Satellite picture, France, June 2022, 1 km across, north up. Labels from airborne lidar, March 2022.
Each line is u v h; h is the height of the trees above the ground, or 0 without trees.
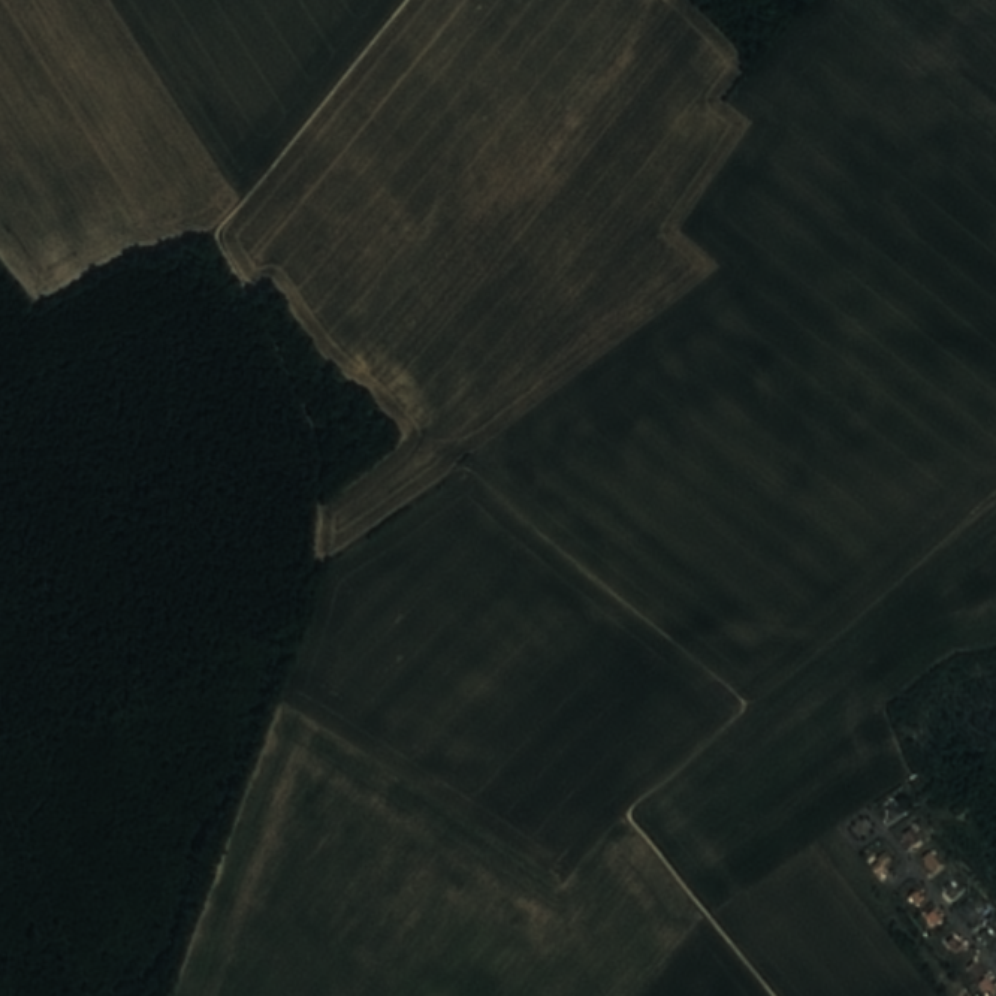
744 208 0
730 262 0
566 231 0
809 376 0
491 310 0
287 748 0
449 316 0
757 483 0
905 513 0
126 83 0
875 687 0
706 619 0
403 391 0
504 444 0
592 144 0
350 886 0
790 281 0
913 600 0
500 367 0
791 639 0
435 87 0
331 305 0
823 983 0
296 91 0
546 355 0
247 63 0
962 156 0
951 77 0
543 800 0
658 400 0
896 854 0
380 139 0
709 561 0
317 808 0
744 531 0
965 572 0
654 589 0
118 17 0
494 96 0
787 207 0
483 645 0
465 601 0
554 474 0
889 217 0
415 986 0
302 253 0
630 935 0
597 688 0
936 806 7
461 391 0
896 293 0
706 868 0
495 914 0
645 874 0
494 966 0
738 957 0
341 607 0
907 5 0
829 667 0
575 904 0
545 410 0
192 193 0
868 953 0
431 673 0
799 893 0
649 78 0
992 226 0
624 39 0
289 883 0
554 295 0
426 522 0
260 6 0
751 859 0
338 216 0
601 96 0
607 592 0
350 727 0
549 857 0
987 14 0
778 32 7
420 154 0
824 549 0
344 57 0
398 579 0
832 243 0
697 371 0
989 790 6
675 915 0
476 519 0
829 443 0
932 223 0
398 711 0
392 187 0
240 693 6
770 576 0
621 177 0
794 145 0
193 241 15
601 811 0
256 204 0
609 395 0
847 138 0
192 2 0
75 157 0
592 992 0
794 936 0
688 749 0
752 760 0
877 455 0
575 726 0
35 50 0
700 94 0
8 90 0
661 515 0
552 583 0
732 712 0
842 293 0
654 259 0
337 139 0
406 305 0
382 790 0
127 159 0
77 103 0
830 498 0
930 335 0
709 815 0
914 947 8
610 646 0
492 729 0
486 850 0
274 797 0
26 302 12
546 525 0
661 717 0
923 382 0
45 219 0
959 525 0
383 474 0
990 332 0
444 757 0
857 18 0
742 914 0
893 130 0
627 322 0
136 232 0
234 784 18
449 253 0
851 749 0
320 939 0
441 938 0
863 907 0
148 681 19
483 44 0
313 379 13
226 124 0
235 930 0
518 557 0
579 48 0
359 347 0
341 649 0
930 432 0
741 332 0
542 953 0
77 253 0
